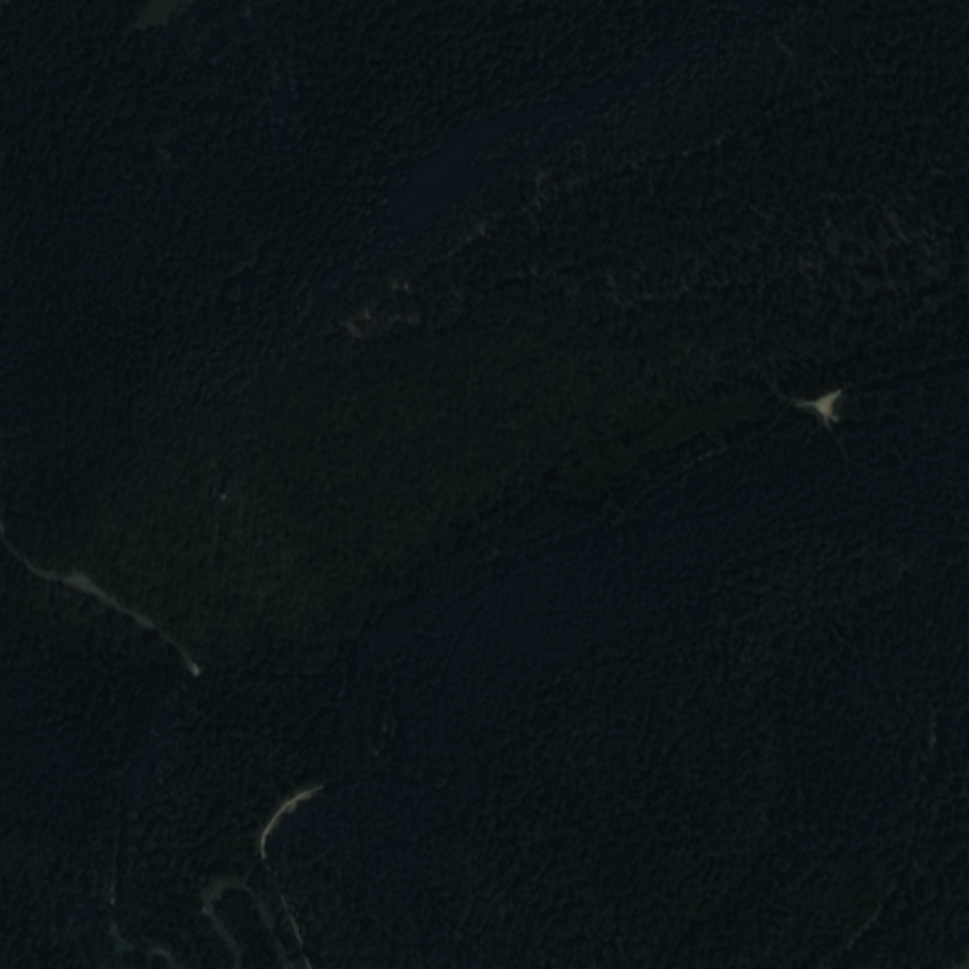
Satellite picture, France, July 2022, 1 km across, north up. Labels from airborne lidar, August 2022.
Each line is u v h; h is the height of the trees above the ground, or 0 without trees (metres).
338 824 34
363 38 33
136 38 7
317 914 23
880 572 21
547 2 17
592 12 28
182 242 29
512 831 20
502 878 9
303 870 19
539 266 22
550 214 23
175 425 15
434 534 24
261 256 9
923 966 19
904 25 16
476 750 29
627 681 18
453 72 33
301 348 12
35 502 21
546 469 13
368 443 10
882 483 31
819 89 16
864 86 14
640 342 19
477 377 14
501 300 15
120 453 19
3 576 19
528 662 19
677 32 29
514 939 16
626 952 20
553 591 24
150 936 14
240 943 16
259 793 13
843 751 25
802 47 12
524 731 25
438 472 16
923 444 25
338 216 29
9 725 27
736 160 25
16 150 24
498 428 8
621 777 17
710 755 17
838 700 29
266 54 33
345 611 23
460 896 22
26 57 23
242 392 14
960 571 27
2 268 32
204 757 7
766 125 16
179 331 28
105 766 31
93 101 28
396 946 30
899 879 16
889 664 27
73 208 24
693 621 24
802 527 27
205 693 16
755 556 24
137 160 30
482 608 22
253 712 7
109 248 28
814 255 22
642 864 11
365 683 25
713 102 16
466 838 19
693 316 15
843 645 8
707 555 27
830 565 22
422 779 12
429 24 27
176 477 11
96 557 16
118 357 22
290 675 18
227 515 13
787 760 20
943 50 18
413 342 15
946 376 20
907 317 26
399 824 26
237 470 6
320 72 37
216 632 15
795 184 20
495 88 33
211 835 7
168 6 0
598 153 13
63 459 23
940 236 17
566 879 7
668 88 15
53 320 30
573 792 12
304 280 29
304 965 7
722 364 20
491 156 21
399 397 12
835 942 14
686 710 21
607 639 24
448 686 24
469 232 17
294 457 15
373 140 23
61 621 22
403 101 27
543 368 17
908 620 31
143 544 17
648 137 12
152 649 31
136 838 21
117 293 28
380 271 14
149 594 17
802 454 20
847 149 23
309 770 22
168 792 18
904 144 18
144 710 17
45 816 21
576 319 14
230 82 29
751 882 9
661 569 26
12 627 31
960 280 20
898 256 24
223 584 12
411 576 22
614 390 19
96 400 26
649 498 10
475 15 30
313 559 15
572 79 28
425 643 24
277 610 15
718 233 21
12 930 25
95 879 21
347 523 19
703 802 20
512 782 26
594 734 25
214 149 21
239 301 19
